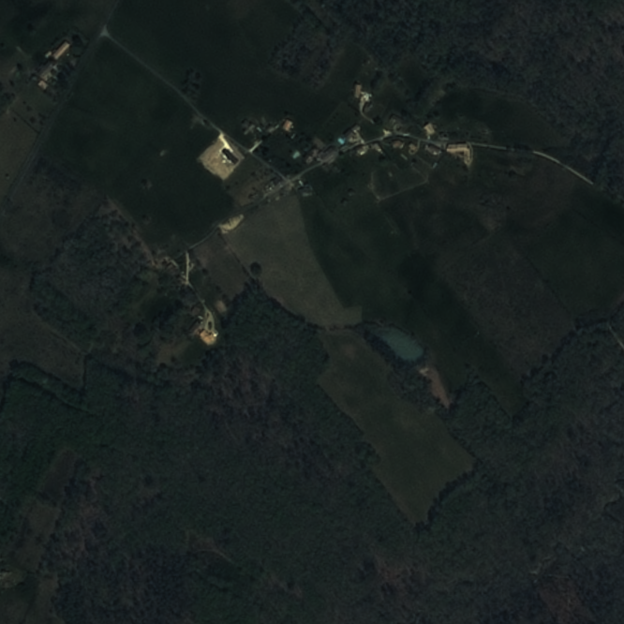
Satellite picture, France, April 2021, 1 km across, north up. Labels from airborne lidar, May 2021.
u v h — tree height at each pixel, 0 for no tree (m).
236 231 0
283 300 0
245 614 19
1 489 17
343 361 0
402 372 15
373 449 10
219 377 23
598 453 17
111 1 0
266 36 0
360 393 0
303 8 9
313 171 0
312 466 24
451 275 0
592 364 12
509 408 0
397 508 18
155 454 20
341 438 17
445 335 0
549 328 0
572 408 24
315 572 18
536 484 24
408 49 14
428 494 0
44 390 9
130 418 22
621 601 20
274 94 0
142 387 23
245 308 22
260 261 0
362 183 0
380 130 11
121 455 21
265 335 18
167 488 16
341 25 16
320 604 17
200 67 0
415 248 0
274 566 18
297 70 9
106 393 20
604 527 19
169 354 0
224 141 0
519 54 20
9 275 0
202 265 6
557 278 0
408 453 0
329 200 0
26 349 0
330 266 0
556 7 19
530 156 13
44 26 0
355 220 0
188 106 0
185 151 0
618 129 29
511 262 0
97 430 25
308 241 0
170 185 0
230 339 21
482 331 0
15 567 0
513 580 19
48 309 15
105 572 15
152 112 0
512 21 21
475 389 13
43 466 14
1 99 15
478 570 23
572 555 21
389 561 14
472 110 0
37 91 0
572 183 0
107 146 0
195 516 22
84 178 0
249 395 10
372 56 13
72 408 21
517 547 19
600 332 19
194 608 14
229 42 0
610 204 0
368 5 21
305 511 22
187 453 21
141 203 0
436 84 19
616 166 23
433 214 0
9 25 0
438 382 0
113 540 14
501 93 15
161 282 7
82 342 17
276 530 17
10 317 0
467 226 0
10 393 23
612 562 20
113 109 0
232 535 26
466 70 27
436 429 0
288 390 19
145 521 18
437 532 25
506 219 0
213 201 0
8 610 0
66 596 15
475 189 0
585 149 6
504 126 0
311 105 0
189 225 0
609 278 0
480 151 0
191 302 18
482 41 20
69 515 15
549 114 17
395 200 0
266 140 10
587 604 23
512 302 0
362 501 20
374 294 0
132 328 7
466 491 16
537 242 0
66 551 8
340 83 0
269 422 22
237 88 0
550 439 18
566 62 16
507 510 20
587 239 0
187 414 21
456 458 0
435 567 13
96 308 13
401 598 26
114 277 16
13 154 0
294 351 16
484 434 15
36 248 0
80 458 12
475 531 23
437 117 9
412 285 0
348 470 16
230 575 8
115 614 24
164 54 0
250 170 0
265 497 23
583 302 0
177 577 21
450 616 15
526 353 0
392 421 0
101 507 9
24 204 0
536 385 18
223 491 17
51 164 0
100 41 0
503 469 21
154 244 0
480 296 0
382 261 0
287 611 18
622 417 19
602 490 16
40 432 18
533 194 0
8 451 20
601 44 23
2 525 16
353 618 13
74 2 0
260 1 0
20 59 0
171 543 21
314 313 0
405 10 23
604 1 18
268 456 15
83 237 11
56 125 0
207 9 0
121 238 14
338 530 19
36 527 0
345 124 0
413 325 0
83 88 0
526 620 21
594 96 21
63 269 15
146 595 10
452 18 17
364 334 8
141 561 20
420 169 0
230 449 22
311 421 19
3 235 0
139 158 0
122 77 0
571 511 28
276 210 0
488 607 14
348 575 23
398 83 17
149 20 0
